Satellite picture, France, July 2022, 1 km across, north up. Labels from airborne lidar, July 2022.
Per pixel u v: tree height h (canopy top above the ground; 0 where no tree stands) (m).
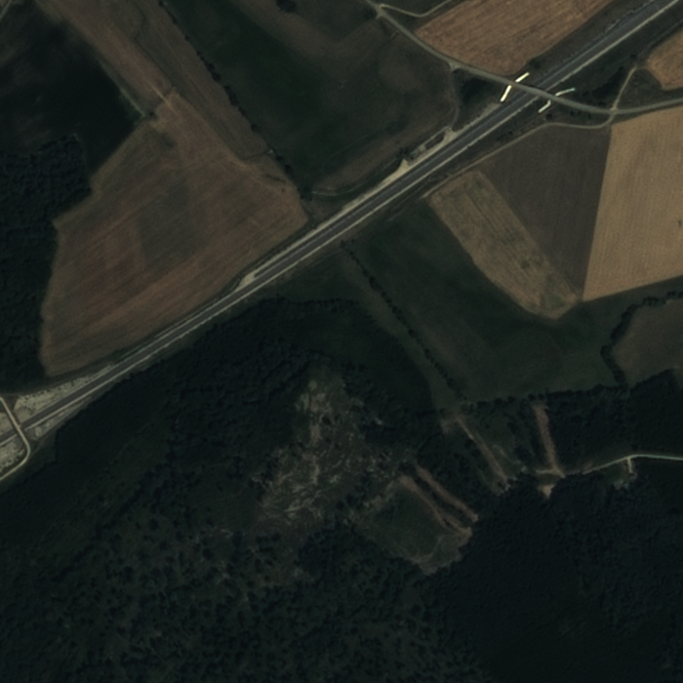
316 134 0
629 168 0
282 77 0
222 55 0
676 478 8
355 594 24
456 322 0
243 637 6
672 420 12
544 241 0
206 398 23
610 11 0
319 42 0
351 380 22
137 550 0
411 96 0
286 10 19
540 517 18
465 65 0
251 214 0
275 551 14
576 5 0
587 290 0
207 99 0
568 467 24
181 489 18
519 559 14
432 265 0
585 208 0
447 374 11
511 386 0
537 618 14
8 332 28
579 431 22
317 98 0
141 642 23
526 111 0
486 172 0
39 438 0
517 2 0
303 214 0
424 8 0
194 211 0
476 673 19
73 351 0
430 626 27
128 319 0
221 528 0
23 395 0
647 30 0
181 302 0
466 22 0
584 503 27
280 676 29
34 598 27
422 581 18
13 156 8
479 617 16
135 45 0
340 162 0
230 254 0
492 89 0
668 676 11
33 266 29
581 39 0
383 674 24
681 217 0
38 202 29
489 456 0
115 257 0
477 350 0
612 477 0
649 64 0
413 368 6
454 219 0
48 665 27
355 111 0
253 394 26
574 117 8
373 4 0
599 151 0
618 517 26
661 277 0
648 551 24
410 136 0
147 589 22
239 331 14
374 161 0
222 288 0
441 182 0
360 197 0
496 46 0
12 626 27
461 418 0
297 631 27
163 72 0
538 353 0
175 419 18
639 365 0
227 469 22
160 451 0
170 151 0
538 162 0
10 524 18
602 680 9
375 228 0
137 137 0
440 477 25
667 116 0
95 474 14
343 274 0
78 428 15
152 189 0
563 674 9
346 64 0
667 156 0
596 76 0
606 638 8
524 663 6
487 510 27
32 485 14
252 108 0
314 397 0
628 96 0
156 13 0
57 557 15
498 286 0
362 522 0
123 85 0
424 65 0
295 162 0
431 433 21
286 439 23
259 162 0
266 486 17
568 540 16
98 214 0
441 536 0
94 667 19
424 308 0
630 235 0
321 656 21
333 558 17
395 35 0
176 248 0
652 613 30
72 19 0
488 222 0
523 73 0
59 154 23
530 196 0
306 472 0
